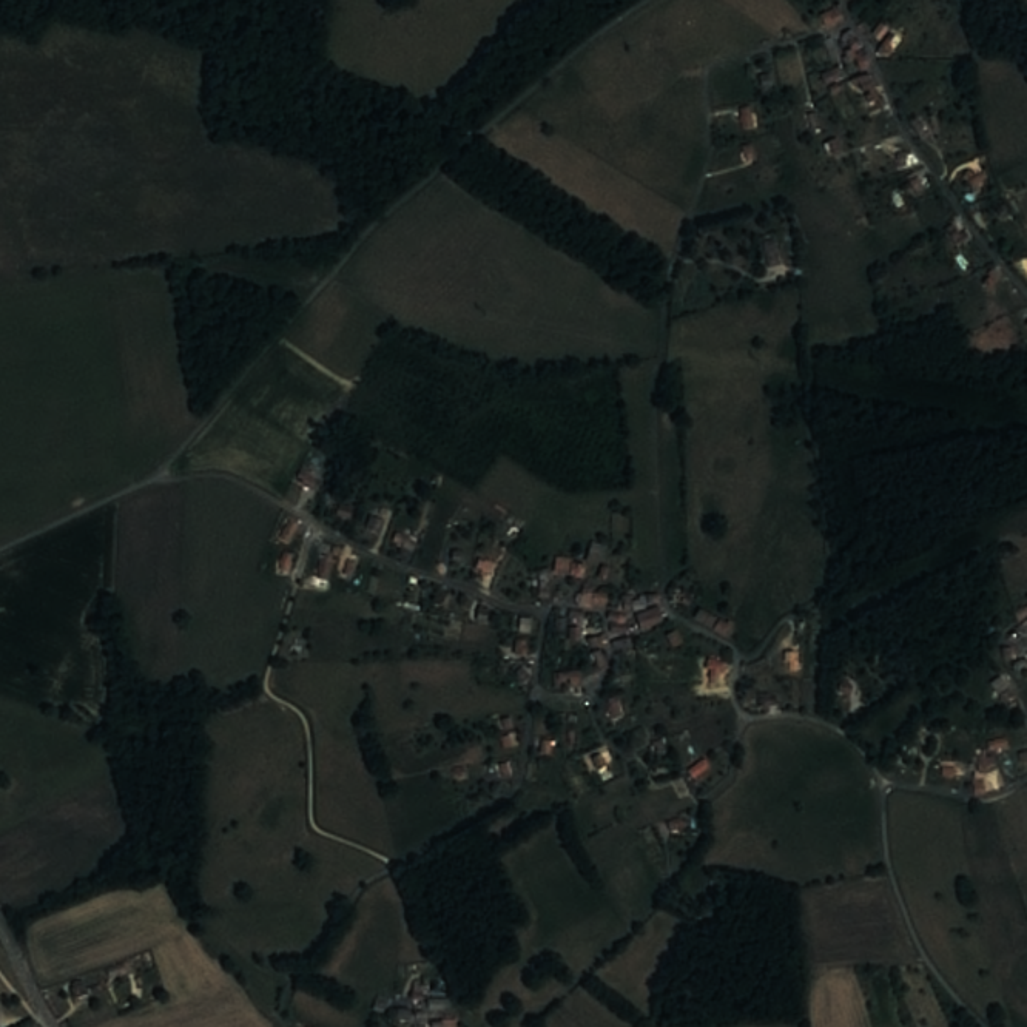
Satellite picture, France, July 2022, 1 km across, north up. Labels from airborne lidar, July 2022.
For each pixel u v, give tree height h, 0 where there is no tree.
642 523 0
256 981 0
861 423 23
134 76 0
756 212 18
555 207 23
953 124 6
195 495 0
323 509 6
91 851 0
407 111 16
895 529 16
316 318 0
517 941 17
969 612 8
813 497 13
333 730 0
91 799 0
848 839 0
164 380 0
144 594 0
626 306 0
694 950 24
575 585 11
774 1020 19
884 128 0
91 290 0
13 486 0
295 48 24
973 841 0
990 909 0
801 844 0
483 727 12
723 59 0
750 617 0
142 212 0
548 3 26
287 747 0
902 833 0
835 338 0
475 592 0
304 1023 0
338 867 0
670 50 0
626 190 0
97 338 0
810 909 0
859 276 0
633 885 0
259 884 0
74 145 0
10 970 0
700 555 0
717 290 15
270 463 0
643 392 0
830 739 0
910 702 0
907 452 24
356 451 21
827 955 0
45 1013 0
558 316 0
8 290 0
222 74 24
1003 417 6
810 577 0
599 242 19
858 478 17
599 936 0
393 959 0
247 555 0
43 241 0
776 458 0
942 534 19
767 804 0
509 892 18
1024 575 0
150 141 0
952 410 6
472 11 0
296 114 22
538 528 0
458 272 0
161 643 0
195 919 15
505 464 0
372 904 0
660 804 0
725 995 26
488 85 25
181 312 12
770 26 0
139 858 28
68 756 0
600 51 0
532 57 26
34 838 0
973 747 0
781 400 12
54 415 0
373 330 0
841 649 18
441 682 0
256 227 0
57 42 0
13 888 0
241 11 28
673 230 0
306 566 0
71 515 0
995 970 0
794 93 10
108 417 0
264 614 0
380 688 0
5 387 0
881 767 16
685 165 0
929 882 0
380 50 0
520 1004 18
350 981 0
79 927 0
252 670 0
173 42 17
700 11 0
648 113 0
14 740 0
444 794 0
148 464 0
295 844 0
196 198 0
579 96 0
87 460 0
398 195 9
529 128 0
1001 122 0
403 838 0
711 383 0
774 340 0
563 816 18
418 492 16
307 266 14
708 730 0
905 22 0
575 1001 0
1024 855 0
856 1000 0
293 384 0
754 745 0
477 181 22
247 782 0
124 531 0
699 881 0
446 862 14
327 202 0
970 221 7
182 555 0
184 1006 0
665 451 0
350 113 25
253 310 17
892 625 19
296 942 0
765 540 0
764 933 17
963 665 8
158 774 28
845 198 0
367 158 29
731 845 0
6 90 0
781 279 6
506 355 0
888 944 0
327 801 0
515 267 0
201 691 18
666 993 16
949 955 0
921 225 0
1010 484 25
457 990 23
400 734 0
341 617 0
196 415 11
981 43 15
